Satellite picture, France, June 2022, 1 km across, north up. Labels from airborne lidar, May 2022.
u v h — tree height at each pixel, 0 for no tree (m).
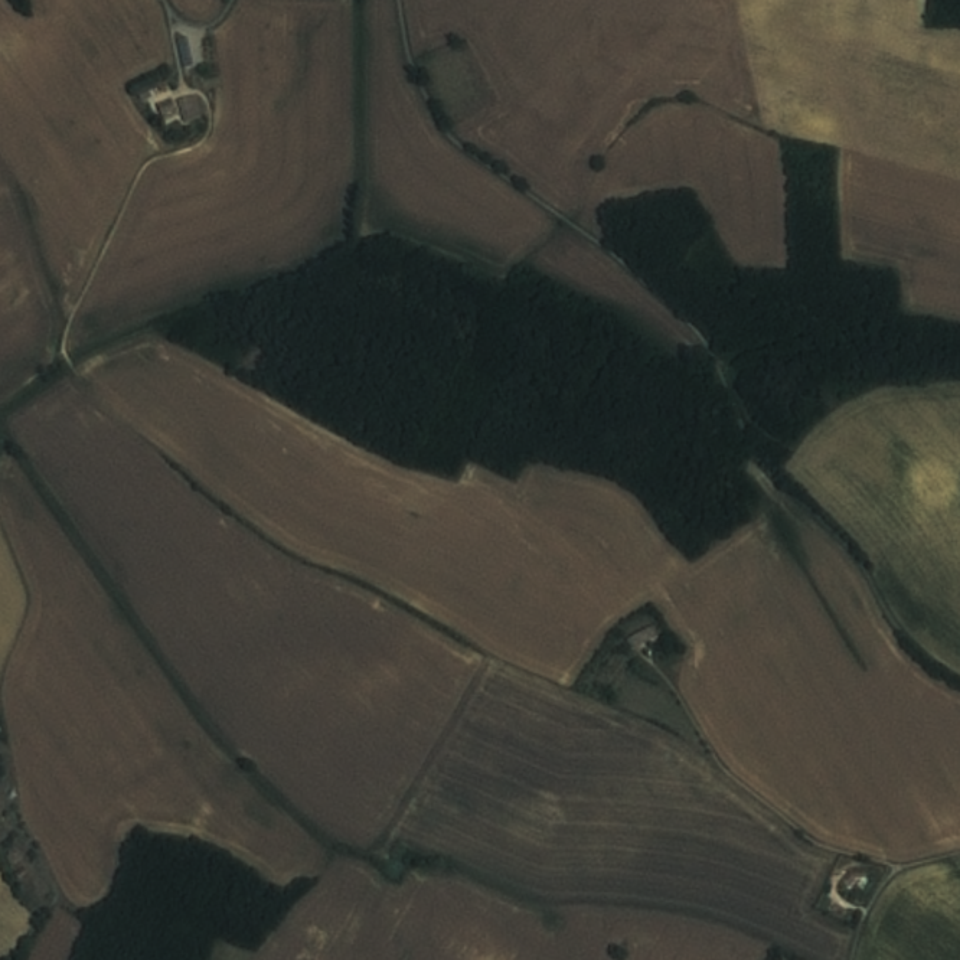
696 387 23
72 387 0
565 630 0
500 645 0
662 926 0
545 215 0
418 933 0
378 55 0
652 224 16
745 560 0
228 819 0
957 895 0
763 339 21
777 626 0
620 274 0
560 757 0
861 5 0
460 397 9
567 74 0
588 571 0
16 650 0
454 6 0
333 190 0
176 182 0
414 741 0
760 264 0
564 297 17
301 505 0
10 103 0
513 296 18
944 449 0
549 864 0
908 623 0
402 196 0
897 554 0
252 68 0
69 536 0
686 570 0
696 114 0
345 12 0
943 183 0
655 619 11
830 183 8
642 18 0
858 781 0
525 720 0
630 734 0
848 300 20
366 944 0
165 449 0
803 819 0
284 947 0
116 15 0
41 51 0
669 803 0
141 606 0
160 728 0
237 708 0
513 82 0
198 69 8
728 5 0
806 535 0
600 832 0
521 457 20
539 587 0
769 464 17
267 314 22
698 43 0
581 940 0
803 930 0
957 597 0
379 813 0
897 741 0
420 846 0
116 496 0
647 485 18
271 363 23
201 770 0
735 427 22
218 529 0
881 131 0
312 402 16
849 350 9
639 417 22
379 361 25
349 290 24
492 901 0
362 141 0
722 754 0
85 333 0
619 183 0
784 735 0
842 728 0
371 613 0
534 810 0
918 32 0
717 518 23
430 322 25
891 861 0
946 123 0
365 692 0
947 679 11
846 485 0
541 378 16
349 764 0
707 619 0
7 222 0
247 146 0
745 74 0
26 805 0
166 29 0
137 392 0
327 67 0
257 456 0
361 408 19
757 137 0
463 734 0
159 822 0
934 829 0
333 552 0
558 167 0
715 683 0
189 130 6
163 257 0
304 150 0
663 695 0
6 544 0
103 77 0
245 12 0
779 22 0
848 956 0
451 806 0
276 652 0
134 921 16
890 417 0
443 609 0
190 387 0
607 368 19
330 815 0
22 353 0
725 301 23
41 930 6
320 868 0
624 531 0
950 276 0
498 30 0
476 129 0
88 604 0
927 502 0
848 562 0
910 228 0
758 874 0
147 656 0
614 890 0
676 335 0
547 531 0
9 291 0
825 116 0
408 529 0
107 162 0
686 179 0
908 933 0
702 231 16
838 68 0
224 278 0
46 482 0
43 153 0
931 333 19
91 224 0
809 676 0
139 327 0
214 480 0
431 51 0
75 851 0
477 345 16
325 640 0
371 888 0
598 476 11
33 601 0
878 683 0
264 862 0
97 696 0
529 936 0
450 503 0
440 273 18
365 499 0
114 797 0
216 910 13
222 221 0
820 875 0
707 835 0
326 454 0
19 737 0
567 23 0
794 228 15
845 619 0
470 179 0
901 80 0
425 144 0
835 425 0
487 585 0
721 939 0
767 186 0
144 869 17
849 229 0
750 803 0
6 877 14
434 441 7
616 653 6
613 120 0
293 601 0
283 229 0
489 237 0
